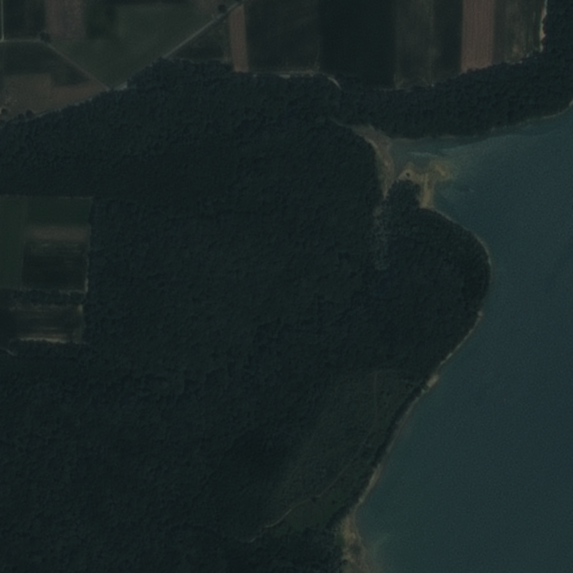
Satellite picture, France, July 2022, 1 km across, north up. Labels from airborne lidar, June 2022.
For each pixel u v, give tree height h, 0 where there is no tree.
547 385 0
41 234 0
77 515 13
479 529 0
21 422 25
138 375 8
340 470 6
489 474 0
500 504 0
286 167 20
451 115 23
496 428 0
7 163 21
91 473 19
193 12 0
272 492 16
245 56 0
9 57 0
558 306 0
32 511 21
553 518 0
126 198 17
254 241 23
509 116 23
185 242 21
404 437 0
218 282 23
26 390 20
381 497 0
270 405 25
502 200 0
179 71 20
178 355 26
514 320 0
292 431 13
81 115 24
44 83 0
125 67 0
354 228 20
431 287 29
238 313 26
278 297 23
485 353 0
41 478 20
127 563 20
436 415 0
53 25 0
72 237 0
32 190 16
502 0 0
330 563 19
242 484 8
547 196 0
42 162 17
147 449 23
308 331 27
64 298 13
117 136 30
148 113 31
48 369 13
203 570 19
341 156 23
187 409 23
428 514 0
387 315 19
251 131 24
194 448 27
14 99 0
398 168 0
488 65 0
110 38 0
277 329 20
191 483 22
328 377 10
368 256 15
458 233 11
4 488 24
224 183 15
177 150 14
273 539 12
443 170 0
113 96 18
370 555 0
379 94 19
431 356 26
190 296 22
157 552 21
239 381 19
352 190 29
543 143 0
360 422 7
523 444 0
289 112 11
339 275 26
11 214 0
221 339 29
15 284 0
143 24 0
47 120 15
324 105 23
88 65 0
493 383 0
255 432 15
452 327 25
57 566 17
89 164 18
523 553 0
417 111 22
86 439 20
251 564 17
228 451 16
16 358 9
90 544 19
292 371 24
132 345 23
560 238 0
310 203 23
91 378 14
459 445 0
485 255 13
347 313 22
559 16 23
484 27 0
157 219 23
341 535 0
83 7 0
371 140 0
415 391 9
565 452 0
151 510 19
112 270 24
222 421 25
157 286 19
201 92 28
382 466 0
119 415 22
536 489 0
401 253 26
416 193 12
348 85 21
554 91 22
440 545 0
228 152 16
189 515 13
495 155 0
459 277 27
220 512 12
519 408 0
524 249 0
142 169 14
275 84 22
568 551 0
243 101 30
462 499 0
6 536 23
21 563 24
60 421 23
